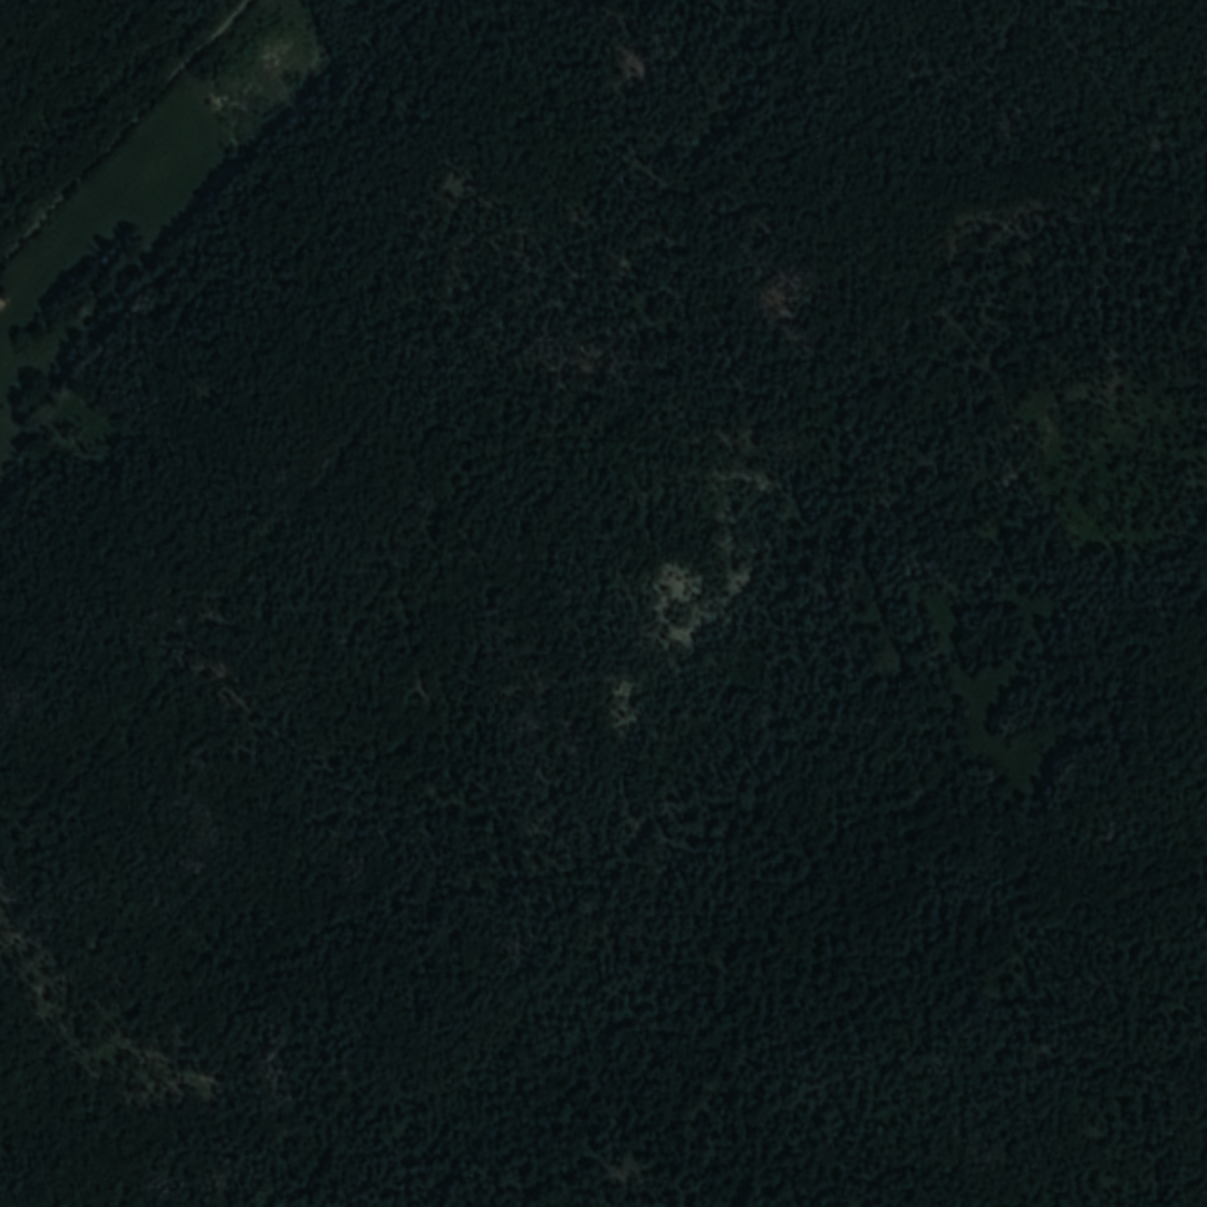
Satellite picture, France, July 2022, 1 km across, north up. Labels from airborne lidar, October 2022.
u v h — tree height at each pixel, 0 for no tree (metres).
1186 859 22
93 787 22
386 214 18
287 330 22
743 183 28
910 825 23
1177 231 20
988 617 26
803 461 24
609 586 18
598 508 19
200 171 0
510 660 17
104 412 27
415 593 18
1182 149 14
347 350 20
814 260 27
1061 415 9
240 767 21
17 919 22
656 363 26
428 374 20
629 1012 24
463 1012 29
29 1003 11
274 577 28
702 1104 19
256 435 19
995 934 21
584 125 20
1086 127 23
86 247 0
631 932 26
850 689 28
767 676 15
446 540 21
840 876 20
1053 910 19
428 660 17
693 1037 25
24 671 20
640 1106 21
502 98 20
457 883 32
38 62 21
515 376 25
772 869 14
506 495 9
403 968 30
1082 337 17
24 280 0
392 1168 17
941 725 18
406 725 18
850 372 20
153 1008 18
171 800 25
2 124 21
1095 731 15
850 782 21
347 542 30
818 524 32
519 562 16
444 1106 14
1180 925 25
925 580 25
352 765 15
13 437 0
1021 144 21
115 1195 19
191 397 26
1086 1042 22
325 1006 11
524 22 25
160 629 17
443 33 26
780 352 30
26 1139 19
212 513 22
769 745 26
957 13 18
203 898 16
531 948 21
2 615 28
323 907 23
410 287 24
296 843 27
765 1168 17
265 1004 22
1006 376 24
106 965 13
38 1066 19
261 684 23
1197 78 19
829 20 18
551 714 20
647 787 20
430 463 23
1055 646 21
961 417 24
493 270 19
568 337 23
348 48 22
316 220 19
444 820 35
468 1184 28
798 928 21
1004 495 23
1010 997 12
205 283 22
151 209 0
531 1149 25
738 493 8
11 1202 16
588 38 24
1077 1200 17
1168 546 13
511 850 12
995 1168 18
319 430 19
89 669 19
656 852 23
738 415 23
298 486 21
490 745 22
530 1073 24
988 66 22
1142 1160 23
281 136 20
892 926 15
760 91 30
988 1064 19
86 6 19
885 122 22
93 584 22
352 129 30
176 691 20
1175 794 14
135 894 27
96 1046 19
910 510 29
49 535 26
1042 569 26
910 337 15
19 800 19
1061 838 19
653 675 23
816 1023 19
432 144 17
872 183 22
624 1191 15
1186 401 13
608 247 26
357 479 15
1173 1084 24
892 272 18
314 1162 25
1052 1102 22
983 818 24
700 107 25
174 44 12
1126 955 18
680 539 14
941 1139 18
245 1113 18
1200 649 18
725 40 33
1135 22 16
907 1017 21
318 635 19
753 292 21
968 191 22
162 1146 17
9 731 13
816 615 21
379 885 28
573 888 10
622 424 13
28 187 20
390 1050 29
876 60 19
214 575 20
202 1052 28
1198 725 18
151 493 25
